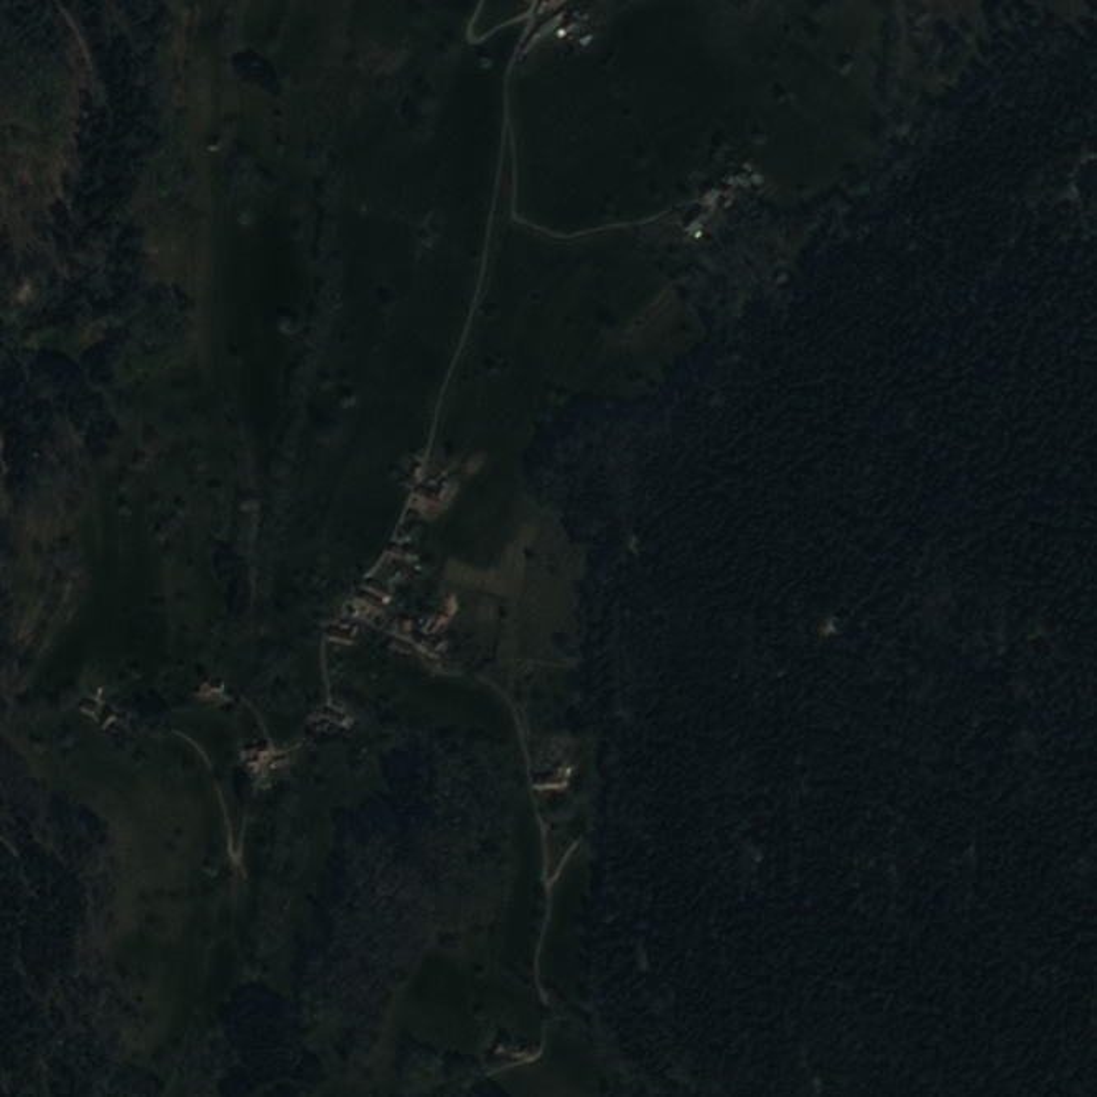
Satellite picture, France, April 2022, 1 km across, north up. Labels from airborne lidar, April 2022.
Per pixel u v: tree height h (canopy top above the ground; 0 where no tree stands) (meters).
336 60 0
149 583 0
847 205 18
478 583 0
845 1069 19
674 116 0
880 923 23
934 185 21
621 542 26
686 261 7
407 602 8
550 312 0
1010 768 20
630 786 25
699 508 20
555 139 0
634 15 0
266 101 0
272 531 20
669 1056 21
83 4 15
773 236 12
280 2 0
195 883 0
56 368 37
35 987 12
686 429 23
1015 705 7
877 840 23
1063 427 27
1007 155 17
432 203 0
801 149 0
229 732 0
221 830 0
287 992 0
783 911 28
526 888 0
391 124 0
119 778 0
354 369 0
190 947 0
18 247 18
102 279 35
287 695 19
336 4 0
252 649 0
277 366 0
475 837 16
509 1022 0
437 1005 0
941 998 25
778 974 26
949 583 24
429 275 0
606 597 24
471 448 0
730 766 20
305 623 0
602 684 22
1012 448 24
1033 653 17
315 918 0
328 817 0
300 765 0
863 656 18
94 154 24
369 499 0
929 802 20
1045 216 15
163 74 31
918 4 19
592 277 0
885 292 22
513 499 0
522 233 0
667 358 0
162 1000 0
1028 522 27
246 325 0
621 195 0
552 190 0
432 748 21
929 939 22
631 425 25
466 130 0
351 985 31
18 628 19
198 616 0
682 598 20
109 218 24
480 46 0
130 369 31
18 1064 26
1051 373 23
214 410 0
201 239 0
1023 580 25
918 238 23
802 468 27
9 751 34
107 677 0
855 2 0
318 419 0
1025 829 22
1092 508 26
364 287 0
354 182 0
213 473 0
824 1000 22
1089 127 25
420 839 29
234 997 0
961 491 26
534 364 0
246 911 0
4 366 11
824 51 0
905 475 23
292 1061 30
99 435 27
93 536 0
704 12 0
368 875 29
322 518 0
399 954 29
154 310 29
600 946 29
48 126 16
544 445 0
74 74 15
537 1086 0
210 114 0
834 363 18
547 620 0
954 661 21
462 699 0
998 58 9
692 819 21
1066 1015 19
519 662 0
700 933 28
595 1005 19
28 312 25
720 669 19
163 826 0
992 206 19
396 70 0
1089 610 25
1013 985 26
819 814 20
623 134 0
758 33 0
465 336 0
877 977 26
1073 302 24
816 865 22
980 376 26
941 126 20
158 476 0
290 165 0
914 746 21
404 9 0
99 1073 25
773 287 18
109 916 27
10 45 20
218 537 9
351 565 0
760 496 26
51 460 21
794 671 20
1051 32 17
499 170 0
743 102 0
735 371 20
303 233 13
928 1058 17
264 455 0
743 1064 25
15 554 25
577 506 22
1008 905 22
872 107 0
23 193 22
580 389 0
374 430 0
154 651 0
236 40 24
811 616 22
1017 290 10
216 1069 15
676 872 22
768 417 25
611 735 23
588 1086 0
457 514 0
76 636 0
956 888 20
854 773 19
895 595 24
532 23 0
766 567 21
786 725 25
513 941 0
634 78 0
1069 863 24
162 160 30
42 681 0
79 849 26
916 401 21
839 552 24
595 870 0
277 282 0
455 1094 14
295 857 21
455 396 0
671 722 18
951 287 17
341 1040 0
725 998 20
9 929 19
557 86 0
